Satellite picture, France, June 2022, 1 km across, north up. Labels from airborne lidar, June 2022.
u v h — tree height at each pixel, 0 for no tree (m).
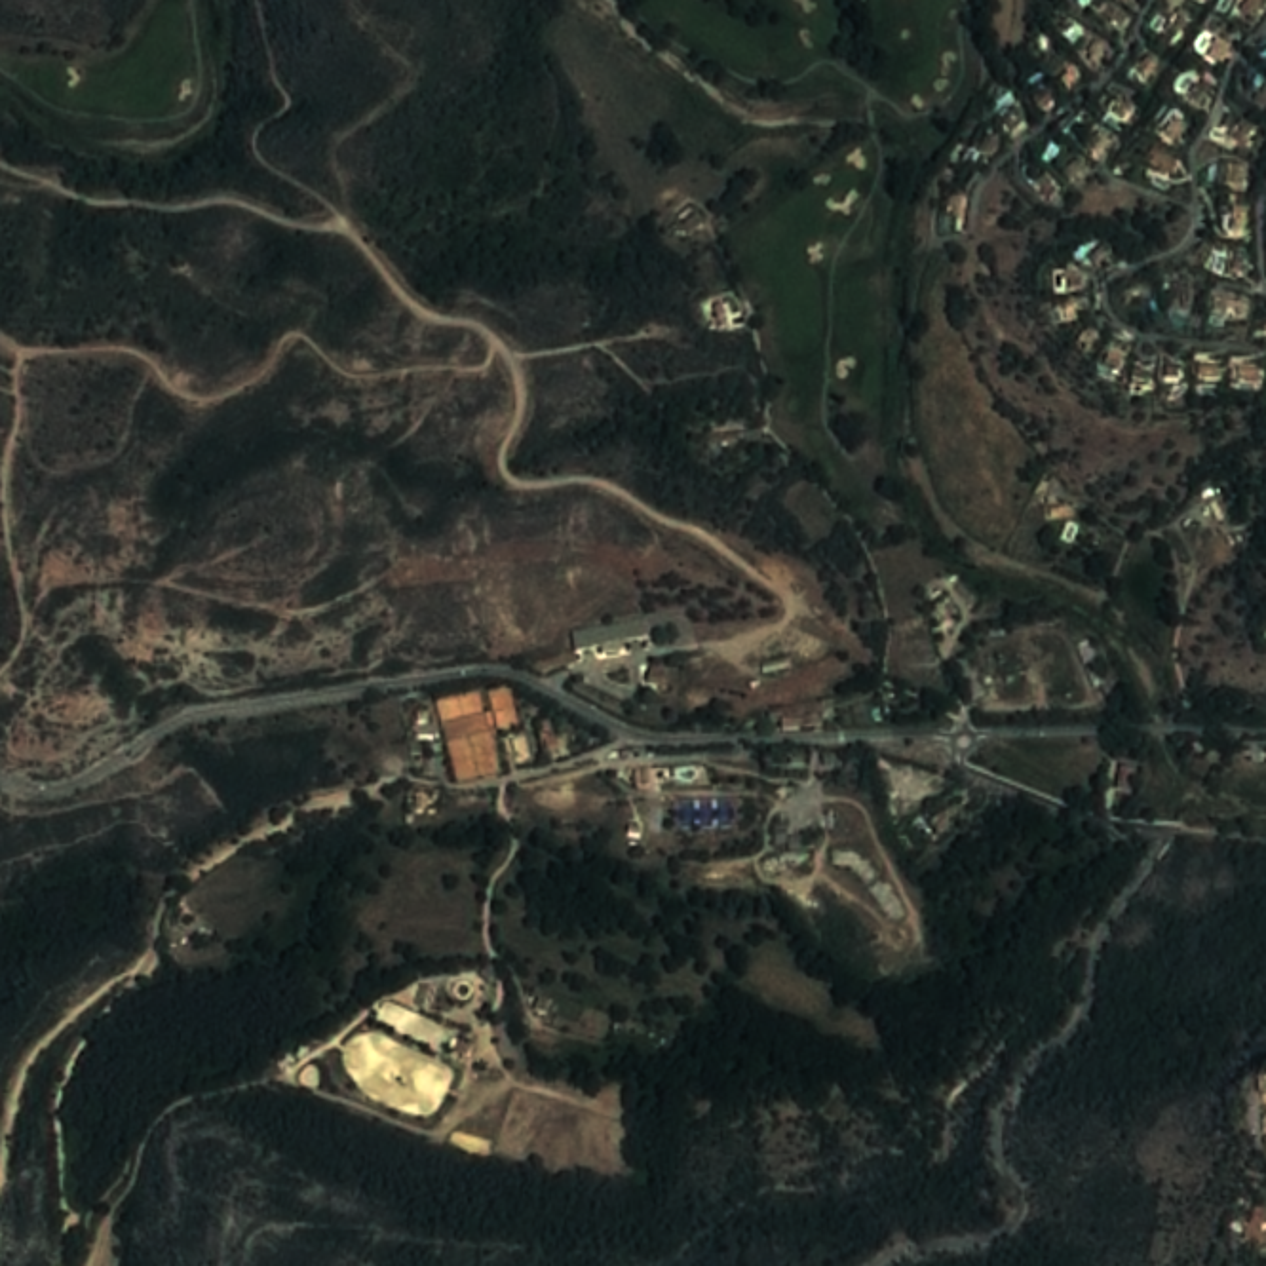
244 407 7
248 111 11
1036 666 0
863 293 0
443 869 0
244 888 0
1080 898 14
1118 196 0
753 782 9
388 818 0
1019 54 24
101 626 0
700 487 6
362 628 0
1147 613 0
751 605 14
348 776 7
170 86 0
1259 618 12
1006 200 8
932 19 0
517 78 16
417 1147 6
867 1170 8
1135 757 15
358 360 0
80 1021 6
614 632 0
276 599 0
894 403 8
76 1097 9
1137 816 11
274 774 6
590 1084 16
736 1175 9
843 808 0
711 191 0
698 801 0
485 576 0
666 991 0
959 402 0
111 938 9
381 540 0
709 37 0
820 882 0
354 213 0
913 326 9
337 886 10
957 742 0
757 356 8
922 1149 10
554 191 10
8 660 14
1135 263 6
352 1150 9
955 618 7
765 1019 20
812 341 0
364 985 13
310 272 6
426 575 0
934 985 18
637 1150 12
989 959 20
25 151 10
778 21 16
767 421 8
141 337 15
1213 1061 12
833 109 0
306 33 8
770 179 0
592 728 7
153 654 0
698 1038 11
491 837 17
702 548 0
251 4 10
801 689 0
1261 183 9
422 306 0
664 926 18
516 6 10
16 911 6
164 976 8
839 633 0
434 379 0
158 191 14
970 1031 9
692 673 0
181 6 0
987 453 0
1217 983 8
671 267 9
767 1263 6
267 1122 13
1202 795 0
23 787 0
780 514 9
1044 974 17
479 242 12
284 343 0
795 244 0
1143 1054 13
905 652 0
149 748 0
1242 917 9
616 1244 13
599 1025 0
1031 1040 9
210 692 0
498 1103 0
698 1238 9
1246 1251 6
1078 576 6
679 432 14
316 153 8
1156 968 7
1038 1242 9
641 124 0
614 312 7
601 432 11
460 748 0
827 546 10
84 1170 11
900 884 0
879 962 0
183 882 12
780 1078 11
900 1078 6
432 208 12
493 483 10
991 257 10
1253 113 12
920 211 0
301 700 0
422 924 0
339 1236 7
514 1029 9
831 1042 17
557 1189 10
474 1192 14
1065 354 7
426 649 0
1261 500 10
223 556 0
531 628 0
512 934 0
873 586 10
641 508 0
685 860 8
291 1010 14
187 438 6
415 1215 14
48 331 6
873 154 0
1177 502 7
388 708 0
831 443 0
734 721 9
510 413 0
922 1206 12
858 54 18
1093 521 8
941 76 0
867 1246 8
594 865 18
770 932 9
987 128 5
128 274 7
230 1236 0
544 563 0
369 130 6
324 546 0
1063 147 14
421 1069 0
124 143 0
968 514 0
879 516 0
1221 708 12
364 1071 0
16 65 0
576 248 11
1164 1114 0
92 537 0
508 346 0
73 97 0
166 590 0
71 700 0
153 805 0
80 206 9
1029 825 19
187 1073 8
